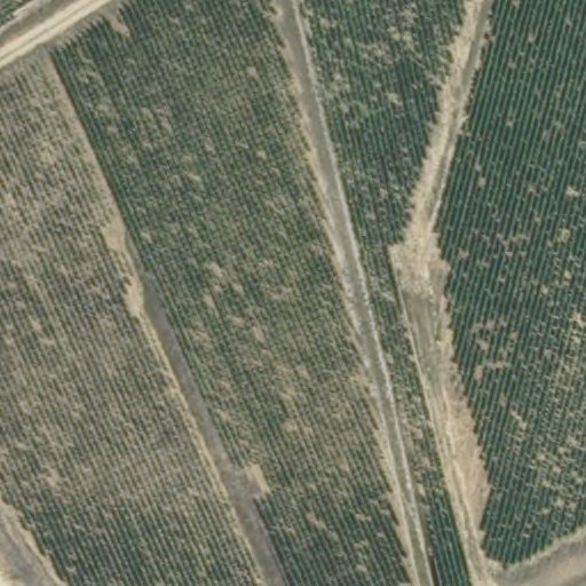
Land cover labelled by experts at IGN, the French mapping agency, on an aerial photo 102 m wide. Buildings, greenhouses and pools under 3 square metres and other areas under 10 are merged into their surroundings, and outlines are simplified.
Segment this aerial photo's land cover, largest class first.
<instances>
[{"label":"vineyard","instance_id":"1","mask_svg":"<svg viewBox=\"0 0 586 586\"><path fill-rule=\"evenodd\" d=\"M73 0H0V46L34 27L37 23H43ZM0 586H586V0H110L101 9L80 18L76 25L55 34L50 41H43L34 46L30 53L0 66Z\"/></svg>","mask_w":586,"mask_h":586},{"label":"pervious surface","instance_id":"2","mask_svg":"<svg viewBox=\"0 0 586 586\"><path fill-rule=\"evenodd\" d=\"M110 0H73L43 23H37L34 27L0 46V66L30 53L34 46L43 41H50L55 34L76 25L80 18L101 9Z\"/></svg>","mask_w":586,"mask_h":586}]
</instances>
